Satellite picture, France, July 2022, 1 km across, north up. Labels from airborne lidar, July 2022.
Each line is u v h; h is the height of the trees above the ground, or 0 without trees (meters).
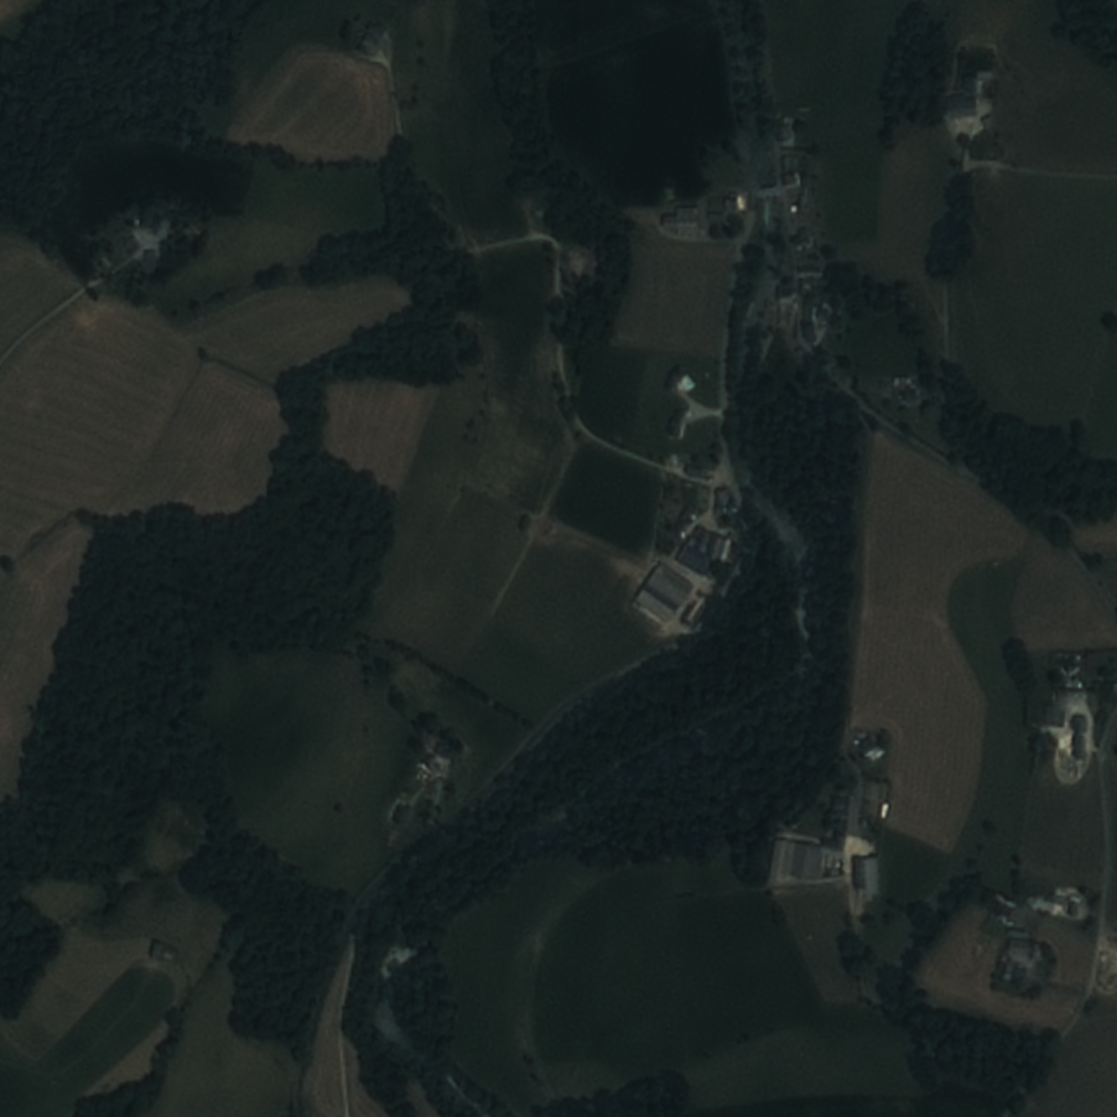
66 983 0
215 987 0
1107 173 0
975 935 0
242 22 18
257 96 0
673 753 31
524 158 22
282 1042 14
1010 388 0
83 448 0
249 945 20
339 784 0
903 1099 0
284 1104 0
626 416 0
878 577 0
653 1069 0
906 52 23
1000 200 0
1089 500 28
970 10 0
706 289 0
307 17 0
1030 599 0
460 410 0
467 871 17
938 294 0
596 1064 0
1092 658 9
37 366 0
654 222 0
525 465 0
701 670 27
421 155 0
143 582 21
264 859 22
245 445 0
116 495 0
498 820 23
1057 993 0
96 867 26
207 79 15
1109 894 0
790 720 25
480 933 0
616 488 0
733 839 22
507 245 0
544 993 0
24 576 0
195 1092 0
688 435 0
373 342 20
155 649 11
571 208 17
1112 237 0
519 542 0
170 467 0
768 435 20
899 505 0
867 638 0
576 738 22
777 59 0
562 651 0
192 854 0
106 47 31
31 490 0
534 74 18
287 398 20
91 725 16
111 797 22
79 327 0
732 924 0
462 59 0
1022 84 0
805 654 7
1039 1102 0
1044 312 0
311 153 0
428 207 17
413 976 25
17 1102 0
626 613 0
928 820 0
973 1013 0
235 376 0
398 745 0
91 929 0
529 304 0
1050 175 0
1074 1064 0
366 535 29
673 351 0
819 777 22
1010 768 0
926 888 0
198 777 18
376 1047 20
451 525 0
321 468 23
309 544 21
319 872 0
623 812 21
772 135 13
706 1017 0
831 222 0
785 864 0
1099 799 0
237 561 15
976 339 0
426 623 0
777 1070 0
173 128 11
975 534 0
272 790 0
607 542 0
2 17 0
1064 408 0
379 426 0
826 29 0
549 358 0
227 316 0
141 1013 0
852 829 0
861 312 20
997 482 22
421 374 19
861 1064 0
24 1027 0
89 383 0
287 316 0
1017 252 0
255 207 0
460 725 0
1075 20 23
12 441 0
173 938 0
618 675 0
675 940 0
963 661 0
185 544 24
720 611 29
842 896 0
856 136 0
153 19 30
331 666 0
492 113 0
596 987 0
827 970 0
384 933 26
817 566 17
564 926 0
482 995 0
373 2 0
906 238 0
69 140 26
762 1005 0
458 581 0
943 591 0
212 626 25
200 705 18
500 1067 0
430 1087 17
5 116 35
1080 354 0
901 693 0
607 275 15
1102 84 0
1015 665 20
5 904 32
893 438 0
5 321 0
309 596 21
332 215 0
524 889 0
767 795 20
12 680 0
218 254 0
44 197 20
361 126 0
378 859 0
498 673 0
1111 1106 0
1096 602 0
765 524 19
